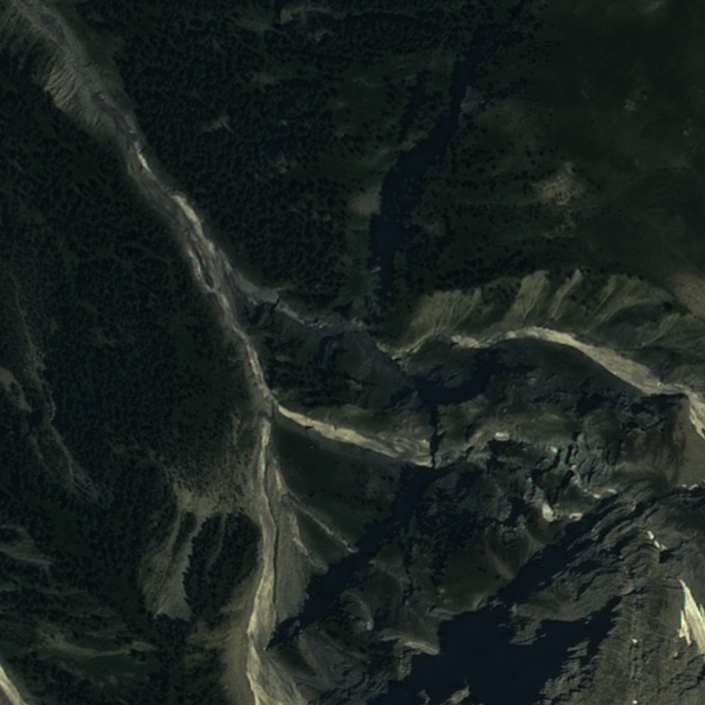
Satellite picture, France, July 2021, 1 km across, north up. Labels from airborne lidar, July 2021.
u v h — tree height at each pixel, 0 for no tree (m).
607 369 0
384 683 0
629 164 0
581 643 0
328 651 0
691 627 0
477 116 0
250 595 0
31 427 13
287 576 0
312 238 21
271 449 0
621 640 0
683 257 0
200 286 0
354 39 15
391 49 15
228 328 0
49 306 11
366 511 0
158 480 8
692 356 0
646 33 0
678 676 0
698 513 0
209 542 12
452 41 13
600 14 0
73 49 0
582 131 0
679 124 0
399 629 0
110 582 0
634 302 0
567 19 0
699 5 0
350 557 0
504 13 0
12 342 7
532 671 0
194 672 10
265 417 0
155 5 22
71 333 20
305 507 0
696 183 0
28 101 29
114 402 19
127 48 8
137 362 10
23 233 16
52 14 0
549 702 0
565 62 0
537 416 0
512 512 0
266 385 0
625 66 0
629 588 0
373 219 0
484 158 10
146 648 0
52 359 11
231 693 0
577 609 0
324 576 0
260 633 0
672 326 0
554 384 0
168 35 17
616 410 0
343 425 0
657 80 0
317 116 19
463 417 0
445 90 0
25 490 19
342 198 0
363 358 0
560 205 0
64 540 0
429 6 16
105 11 17
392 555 0
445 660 0
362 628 0
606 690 0
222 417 8
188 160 10
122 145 0
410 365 0
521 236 0
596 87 0
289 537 0
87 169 0
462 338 0
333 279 13
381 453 0
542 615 0
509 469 0
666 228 0
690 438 0
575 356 0
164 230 8
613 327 0
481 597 0
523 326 0
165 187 0
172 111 24
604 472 0
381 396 0
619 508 0
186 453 8
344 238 16
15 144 17
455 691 0
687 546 0
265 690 0
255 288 0
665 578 0
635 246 0
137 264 10
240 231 16
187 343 0
